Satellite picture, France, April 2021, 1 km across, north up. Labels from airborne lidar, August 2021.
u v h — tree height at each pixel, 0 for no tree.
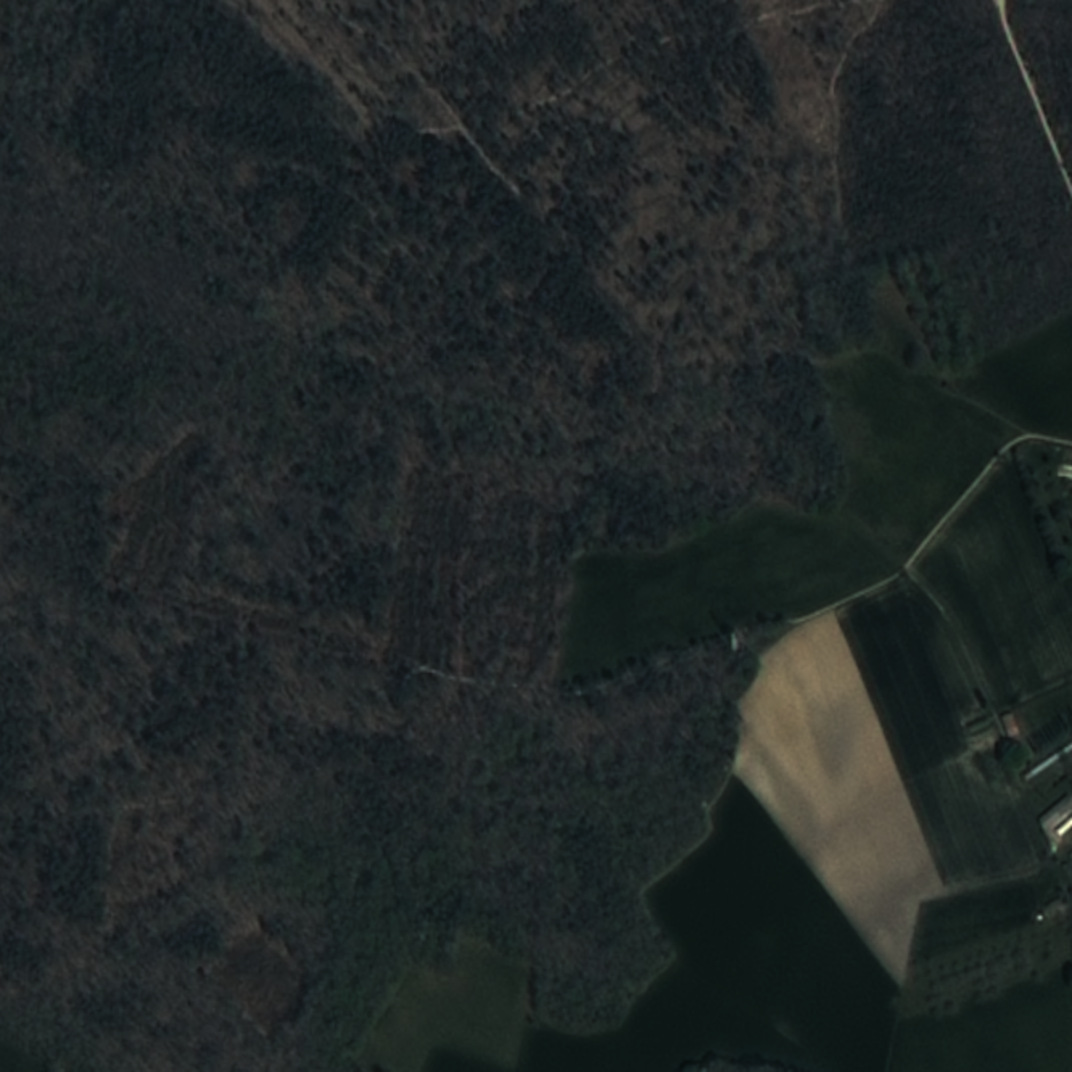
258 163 15
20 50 7
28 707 19
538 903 24
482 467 20
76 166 17
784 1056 0
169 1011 25
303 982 12
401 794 19
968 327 22
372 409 13
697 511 19
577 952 19
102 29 14
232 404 17
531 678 17
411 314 11
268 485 21
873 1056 0
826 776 0
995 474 0
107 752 15
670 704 22
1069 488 7
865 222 7
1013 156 6
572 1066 0
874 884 0
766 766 0
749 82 18
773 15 0
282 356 17
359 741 20
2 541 12
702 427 22
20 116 16
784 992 0
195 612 13
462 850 25
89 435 13
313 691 16
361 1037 26
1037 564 0
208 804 9
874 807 0
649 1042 0
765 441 20
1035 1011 0
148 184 17
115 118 25
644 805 25
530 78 20
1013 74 6
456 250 21
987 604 0
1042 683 0
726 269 18
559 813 20
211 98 19
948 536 0
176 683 14
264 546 15
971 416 0
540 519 7
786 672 0
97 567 16
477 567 7
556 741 18
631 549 19
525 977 0
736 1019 0
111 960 21
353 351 21
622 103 16
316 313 17
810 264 19
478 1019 0
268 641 9
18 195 16
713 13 13
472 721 18
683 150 17
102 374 14
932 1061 0
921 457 0
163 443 15
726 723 13
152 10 19
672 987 0
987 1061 0
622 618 0
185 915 21
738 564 0
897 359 0
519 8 16
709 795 16
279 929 23
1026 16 9
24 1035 23
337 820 16
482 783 23
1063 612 0
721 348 16
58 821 13
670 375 15
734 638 19
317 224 23
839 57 13
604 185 10
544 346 22
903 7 6
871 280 23
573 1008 17
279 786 26
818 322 24
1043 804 0
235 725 19
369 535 12
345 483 12
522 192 15
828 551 0
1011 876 0
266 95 25
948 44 7
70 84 21
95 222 18
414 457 13
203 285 16
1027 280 7
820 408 20
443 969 26
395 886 22
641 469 23
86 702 19
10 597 17
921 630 0
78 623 16
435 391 21
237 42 19
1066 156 6
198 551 20
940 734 0
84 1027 25
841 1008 0
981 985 8
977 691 0
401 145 22
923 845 0
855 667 0
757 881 0
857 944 0
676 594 0
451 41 18
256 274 17
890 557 0
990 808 0
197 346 14
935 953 0
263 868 18
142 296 15
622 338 24
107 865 21
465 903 23
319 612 20
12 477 16
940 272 7
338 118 19
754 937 0
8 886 11
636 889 23
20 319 15
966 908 0
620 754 16
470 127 16
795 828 0
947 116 6
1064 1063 0
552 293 21
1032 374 0
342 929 19
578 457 20
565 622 8
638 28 16
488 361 23
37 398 15
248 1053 17
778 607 0
